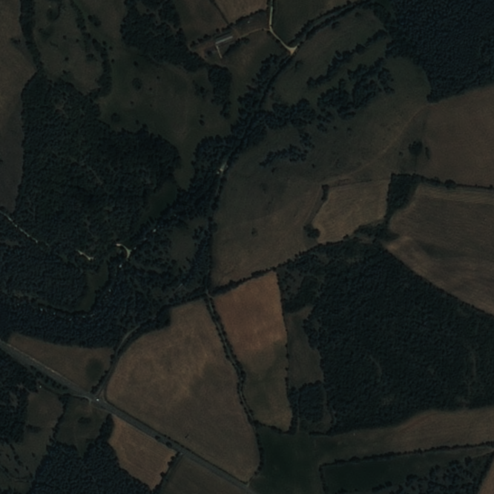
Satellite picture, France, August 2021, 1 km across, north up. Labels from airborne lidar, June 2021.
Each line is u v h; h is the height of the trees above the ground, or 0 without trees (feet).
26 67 0
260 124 33
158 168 52
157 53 29
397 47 35
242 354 0
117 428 0
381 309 32
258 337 0
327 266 26
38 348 0
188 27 0
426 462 0
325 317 31
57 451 55
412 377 38
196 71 44
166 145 43
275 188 0
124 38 45
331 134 0
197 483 0
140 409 0
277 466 0
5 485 0
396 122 0
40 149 37
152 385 0
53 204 34
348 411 49
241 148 44
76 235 62
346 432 38
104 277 0
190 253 0
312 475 0
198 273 47
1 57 0
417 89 0
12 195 0
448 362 41
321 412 30
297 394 44
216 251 0
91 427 0
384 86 27
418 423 0
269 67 33
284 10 0
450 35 67
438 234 0
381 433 0
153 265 29
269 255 0
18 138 0
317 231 24
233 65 0
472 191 0
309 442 0
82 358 0
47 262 56
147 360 0
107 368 0
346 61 29
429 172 0
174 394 0
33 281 46
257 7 0
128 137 41
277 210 0
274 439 0
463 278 0
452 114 0
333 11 19
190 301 29
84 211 35
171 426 0
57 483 44
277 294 0
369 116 0
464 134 0
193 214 34
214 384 0
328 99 25
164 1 24
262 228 0
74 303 37
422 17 62
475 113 0
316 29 32
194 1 0
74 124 36
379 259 35
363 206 0
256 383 0
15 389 25
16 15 0
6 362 63
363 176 0
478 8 65
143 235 54
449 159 0
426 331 27
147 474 0
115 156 44
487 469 35
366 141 0
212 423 0
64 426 0
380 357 26
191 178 0
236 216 0
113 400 0
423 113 0
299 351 0
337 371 34
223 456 0
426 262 0
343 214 0
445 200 0
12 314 49
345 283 39
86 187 36
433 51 69
